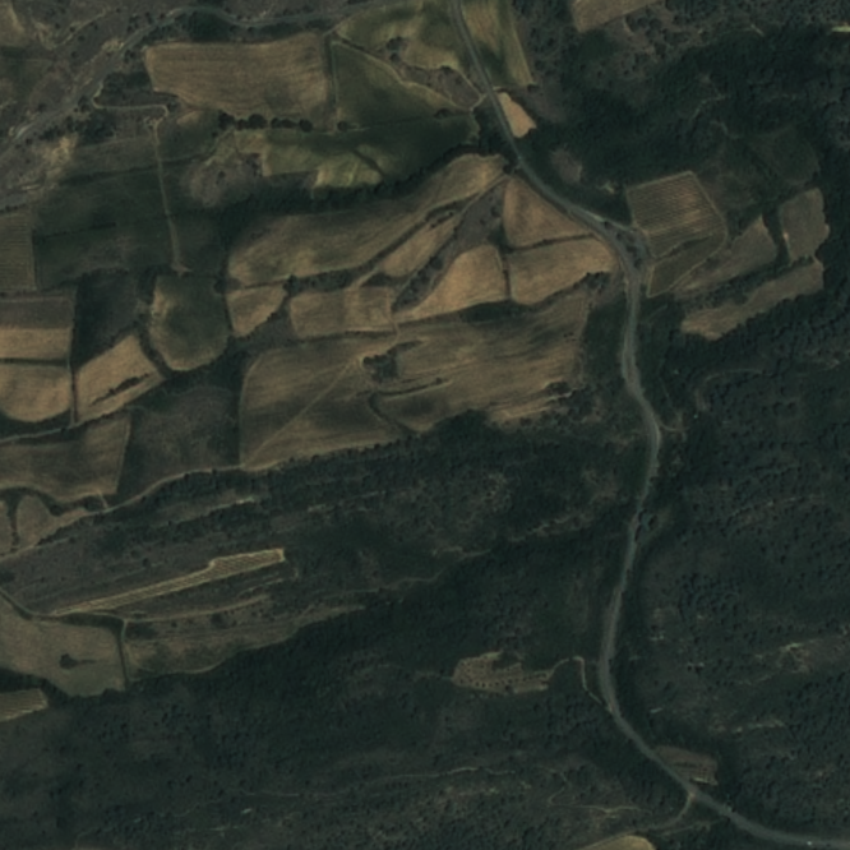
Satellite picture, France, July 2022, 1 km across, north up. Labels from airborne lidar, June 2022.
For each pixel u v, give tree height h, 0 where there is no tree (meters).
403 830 9
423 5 0
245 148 0
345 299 0
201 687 6
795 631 8
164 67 0
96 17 0
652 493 8
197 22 10
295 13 6
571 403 9
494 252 0
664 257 0
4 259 0
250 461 0
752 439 8
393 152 0
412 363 0
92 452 0
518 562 8
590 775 10
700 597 9
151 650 0
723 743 7
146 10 0
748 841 7
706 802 0
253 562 0
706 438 6
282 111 0
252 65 0
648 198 0
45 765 0
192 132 0
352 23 0
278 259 0
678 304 5
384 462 9
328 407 0
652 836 9
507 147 14
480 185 0
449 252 0
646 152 6
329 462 8
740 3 19
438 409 0
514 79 0
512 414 0
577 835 7
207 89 0
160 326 0
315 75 0
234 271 0
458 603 6
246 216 11
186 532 6
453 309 0
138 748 0
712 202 0
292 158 0
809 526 7
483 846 14
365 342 0
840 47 8
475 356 0
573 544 11
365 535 7
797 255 0
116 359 0
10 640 0
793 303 14
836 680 9
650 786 12
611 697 0
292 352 0
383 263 0
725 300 16
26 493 6
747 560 7
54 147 0
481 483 8
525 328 0
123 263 0
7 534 0
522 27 0
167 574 0
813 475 9
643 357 8
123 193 0
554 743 8
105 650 0
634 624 9
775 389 12
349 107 0
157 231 0
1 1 0
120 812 12
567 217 0
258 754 9
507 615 8
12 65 0
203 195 0
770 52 10
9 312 0
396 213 0
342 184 0
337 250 0
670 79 8
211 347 0
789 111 12
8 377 0
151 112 0
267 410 0
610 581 10
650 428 0
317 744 7
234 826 7
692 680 0
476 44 0
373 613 14
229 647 0
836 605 6
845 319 14
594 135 15
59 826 6
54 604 0
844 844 0
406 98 0
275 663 10
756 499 9
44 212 0
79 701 11
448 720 6
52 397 0
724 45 10
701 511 16
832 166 13
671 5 15
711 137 12
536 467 7
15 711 0
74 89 0
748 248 0
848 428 9
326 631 15
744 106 12
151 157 0
